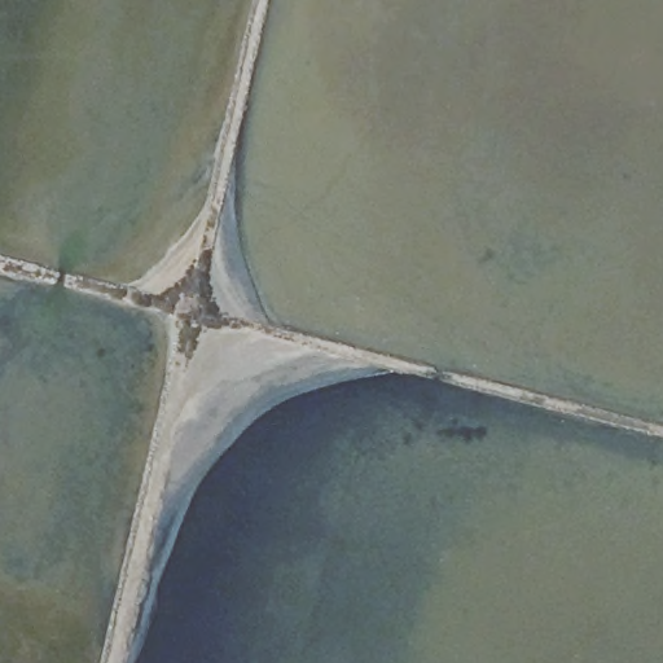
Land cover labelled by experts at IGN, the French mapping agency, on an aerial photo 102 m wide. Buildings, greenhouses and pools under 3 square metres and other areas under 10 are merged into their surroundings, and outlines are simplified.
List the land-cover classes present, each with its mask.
<instances>
[{"label":"water","instance_id":"1","mask_svg":"<svg viewBox=\"0 0 663 663\"><path fill-rule=\"evenodd\" d=\"M254 8V0H0V256L26 259L36 267L57 272L88 280H140L150 267H155L166 256L171 241L184 236L189 225L197 220L210 192L215 145L233 88L238 44L246 34V21ZM228 275L233 282L243 285L251 308L259 313L262 329L267 334L277 329L293 332L365 350L373 355L417 363L425 365L430 373L414 376L383 370L378 376L339 381L332 386L290 396L275 404L262 417H256L233 440V445L215 458V464L197 484L184 523L179 528L174 552L161 575L145 640L129 663H663V438L585 422L572 414L464 388L451 383V378L453 373H458L469 378H482L534 394H546L562 401L601 407L663 427V0H267L246 104L238 124L230 179L218 215ZM168 337L155 334V324L148 313L109 306L104 300L78 295L67 287L54 285H36L0 275V663H101L122 567L127 559L148 448L166 386Z\"/></svg>","mask_w":663,"mask_h":663},{"label":"pervious surface","instance_id":"2","mask_svg":"<svg viewBox=\"0 0 663 663\"><path fill-rule=\"evenodd\" d=\"M267 0H254V8L246 21V34L238 44L233 88L215 145L210 192L197 220L189 225L184 236L171 241L166 256L155 267H150L140 280H88L57 272L54 285L67 287L78 295L104 300L109 306L148 313L155 324V334L168 337L166 386L148 448L127 559L122 567L101 663H129L145 640L161 575L174 552L179 528L184 523L197 484L215 464V458L233 445V440L256 417H262L275 404L290 396L332 386L339 381L378 376L383 370L414 376L430 373L425 365L417 363L373 355L365 350L293 332L277 329L267 334L262 329H205L197 339L194 355L184 357L179 352L181 316L197 308L199 298L179 295L171 313L158 306L135 303L140 293H163L174 282H179L189 267L199 264L202 251H212L210 280L220 313L243 319L251 308L243 285L233 282L228 275L218 215L230 179L238 124L246 104ZM451 383L464 388L572 414L585 422L663 438V427L601 407L562 401L546 394H534L482 378H469L458 373H453L451 378Z\"/></svg>","mask_w":663,"mask_h":663},{"label":"brushwood","instance_id":"3","mask_svg":"<svg viewBox=\"0 0 663 663\"><path fill-rule=\"evenodd\" d=\"M212 251H202L199 264L189 267L179 282H174L163 293H140L135 303L158 306L171 313L179 295L199 298L197 308L181 316L179 352L184 357L194 355L197 339L205 329H262L259 313L251 308L243 319L220 313L210 280ZM0 275L36 285H54L57 272L36 267L26 259L0 256Z\"/></svg>","mask_w":663,"mask_h":663}]
</instances>
